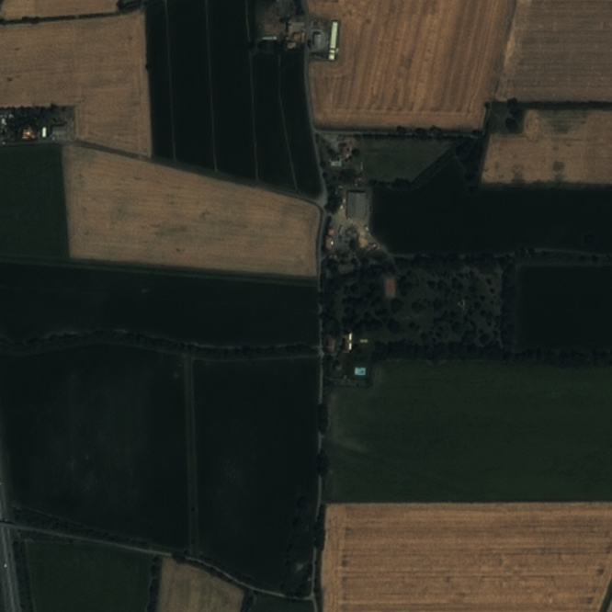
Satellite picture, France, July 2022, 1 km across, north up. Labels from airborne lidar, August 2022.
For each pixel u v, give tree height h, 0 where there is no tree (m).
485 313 13
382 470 0
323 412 14
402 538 0
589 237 12
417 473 0
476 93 0
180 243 0
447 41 0
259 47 13
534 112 0
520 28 0
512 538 0
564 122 0
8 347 9
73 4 0
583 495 0
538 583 0
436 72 0
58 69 0
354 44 0
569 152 0
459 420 0
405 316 0
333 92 0
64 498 0
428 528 0
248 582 8
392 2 0
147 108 0
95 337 7
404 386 0
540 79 0
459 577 0
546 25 0
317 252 0
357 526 0
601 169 0
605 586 0
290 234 0
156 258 0
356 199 0
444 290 6
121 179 0
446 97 0
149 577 0
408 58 0
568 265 0
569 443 0
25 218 0
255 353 8
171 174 0
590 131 0
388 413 0
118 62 0
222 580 6
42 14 0
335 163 0
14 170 0
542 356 16
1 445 0
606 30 0
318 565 7
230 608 0
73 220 0
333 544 0
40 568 0
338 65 0
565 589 0
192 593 0
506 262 16
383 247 0
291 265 0
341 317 0
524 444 0
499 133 0
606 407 0
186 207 0
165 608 0
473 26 0
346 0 0
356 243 10
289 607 0
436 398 0
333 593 0
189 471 0
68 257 0
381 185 8
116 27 0
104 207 0
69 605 0
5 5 0
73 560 0
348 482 0
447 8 0
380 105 0
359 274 13
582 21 0
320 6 0
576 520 0
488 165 0
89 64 0
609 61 0
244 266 0
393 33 0
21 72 0
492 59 0
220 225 0
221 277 0
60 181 0
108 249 0
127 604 0
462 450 0
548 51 0
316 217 0
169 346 8
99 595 0
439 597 0
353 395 0
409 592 0
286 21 7
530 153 0
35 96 0
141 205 0
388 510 0
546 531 0
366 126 0
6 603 0
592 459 0
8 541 0
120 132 0
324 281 12
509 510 0
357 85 0
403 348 19
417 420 0
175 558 12
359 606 0
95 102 0
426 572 0
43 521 8
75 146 0
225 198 0
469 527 0
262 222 0
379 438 0
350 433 0
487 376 0
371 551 0
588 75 0
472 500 0
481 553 0
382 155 0
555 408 0
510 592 0
